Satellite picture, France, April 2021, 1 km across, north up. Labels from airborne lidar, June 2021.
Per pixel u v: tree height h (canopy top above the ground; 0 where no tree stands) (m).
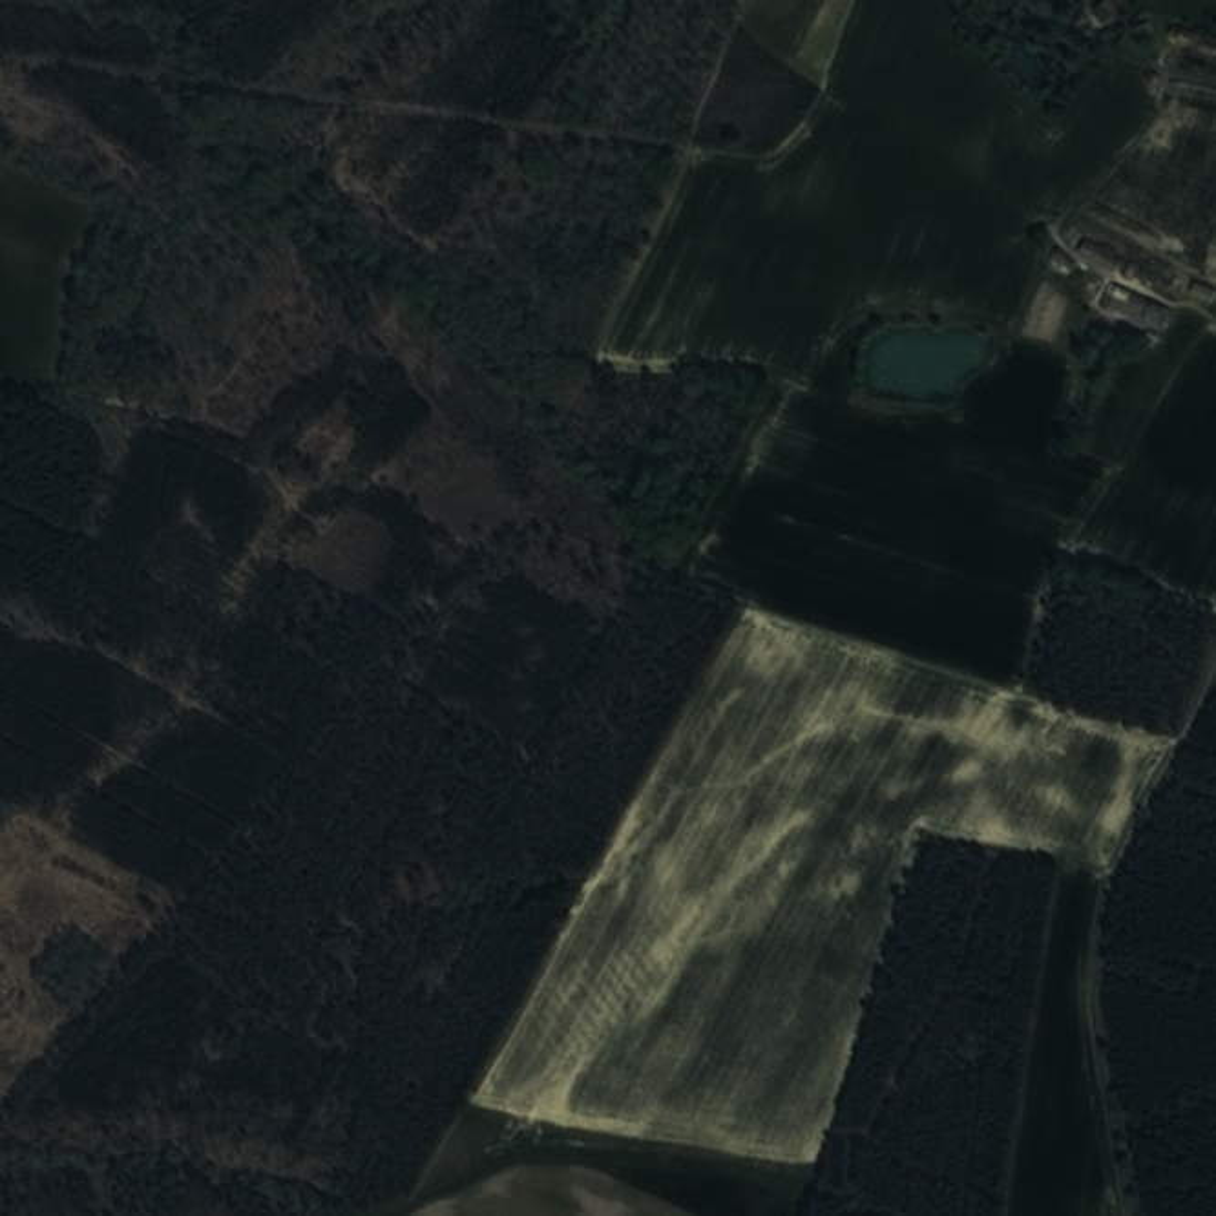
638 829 0
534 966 14
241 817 7
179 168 9
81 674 9
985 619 0
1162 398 0
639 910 0
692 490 18
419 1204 0
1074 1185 0
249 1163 13
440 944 17
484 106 8
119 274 20
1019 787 0
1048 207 0
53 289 0
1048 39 19
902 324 7
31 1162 20
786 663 0
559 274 15
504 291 18
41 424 21
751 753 0
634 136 10
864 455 0
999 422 0
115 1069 10
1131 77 0
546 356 17
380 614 0
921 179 0
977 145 0
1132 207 0
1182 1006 10
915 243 0
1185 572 0
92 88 13
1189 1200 10
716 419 16
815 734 0
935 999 17
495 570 16
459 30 15
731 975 0
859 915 0
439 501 0
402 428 12
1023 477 0
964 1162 14
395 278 22
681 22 10
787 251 0
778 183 0
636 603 17
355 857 16
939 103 0
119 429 10
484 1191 0
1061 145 0
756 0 0
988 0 21
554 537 6
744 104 0
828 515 0
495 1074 0
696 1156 0
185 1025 7
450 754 15
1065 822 0
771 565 0
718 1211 0
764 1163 0
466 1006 18
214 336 18
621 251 15
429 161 6
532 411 16
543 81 11
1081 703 21
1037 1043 0
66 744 9
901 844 0
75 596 18
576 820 16
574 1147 0
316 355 8
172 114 10
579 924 0
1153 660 23
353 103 17
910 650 0
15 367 0
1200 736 10
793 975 0
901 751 0
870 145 0
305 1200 11
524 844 18
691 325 0
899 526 0
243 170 14
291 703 12
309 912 16
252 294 20
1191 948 20
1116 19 6
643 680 16
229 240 15
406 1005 15
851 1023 0
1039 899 15
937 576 0
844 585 0
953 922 18
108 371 14
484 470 0
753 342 0
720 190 0
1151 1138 14
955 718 0
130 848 9
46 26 12
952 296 0
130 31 15
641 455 7
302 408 10
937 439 0
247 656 11
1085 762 0
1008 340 0
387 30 12
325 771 17
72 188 15
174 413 9
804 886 0
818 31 0
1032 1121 0
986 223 0
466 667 8
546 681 6
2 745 11
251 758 8
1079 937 0
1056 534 0
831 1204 17
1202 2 0
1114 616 17
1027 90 10
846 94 0
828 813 0
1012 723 0
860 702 0
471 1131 0
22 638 13
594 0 7
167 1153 9
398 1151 16
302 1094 8
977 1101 14
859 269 0
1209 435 0
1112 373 7
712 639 18
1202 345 0
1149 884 16
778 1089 0
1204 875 17
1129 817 0
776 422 0
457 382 0
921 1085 12
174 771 7
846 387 0
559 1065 0
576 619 8
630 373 0
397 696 18
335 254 19
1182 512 0
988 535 0
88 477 22
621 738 16
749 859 0
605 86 7
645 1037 0
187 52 18
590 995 0
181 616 9
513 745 14
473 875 16
